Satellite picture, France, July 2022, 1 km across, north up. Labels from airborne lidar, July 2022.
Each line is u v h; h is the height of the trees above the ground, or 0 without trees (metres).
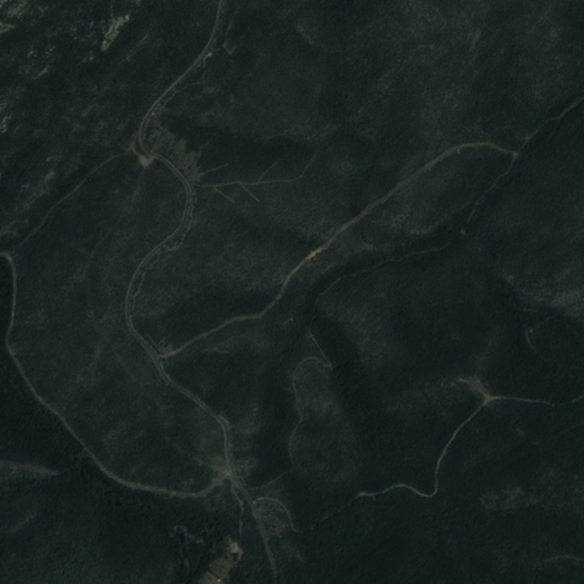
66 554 7
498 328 8
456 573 6
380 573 7
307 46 6
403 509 5
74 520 7
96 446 6
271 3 7
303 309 8
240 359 7
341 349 12
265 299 6
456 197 6
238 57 6
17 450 8
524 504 6
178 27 7
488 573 7
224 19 8
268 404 6
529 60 6
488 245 6
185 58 6
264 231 10
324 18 6
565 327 6
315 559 7
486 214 5
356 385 12
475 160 6
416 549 6
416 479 8
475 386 0
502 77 7
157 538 6
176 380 7
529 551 6
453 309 5
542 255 6
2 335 6
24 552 7
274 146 8
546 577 6
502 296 7
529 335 6
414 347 6
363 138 6
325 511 8
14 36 9
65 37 6
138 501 10
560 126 6
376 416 10
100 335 0
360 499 6
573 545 7
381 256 6
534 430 7
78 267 0
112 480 6
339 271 7
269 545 8
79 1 6
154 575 6
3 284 11
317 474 6
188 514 9
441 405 5
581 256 6
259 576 6
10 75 8
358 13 7
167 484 8
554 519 7
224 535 6
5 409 12
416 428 6
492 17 6
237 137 6
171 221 0
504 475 6
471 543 8
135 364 0
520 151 6
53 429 10
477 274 8
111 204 0
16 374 9
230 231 7
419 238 7
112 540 10
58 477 10
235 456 8
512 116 8
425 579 7
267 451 8
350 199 6
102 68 6
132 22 7
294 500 6
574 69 6
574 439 6
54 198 6
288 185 0
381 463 8
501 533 7
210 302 6
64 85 7
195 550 8
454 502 7
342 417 6
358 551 9
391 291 5
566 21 6
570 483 6
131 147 0
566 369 6
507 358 6
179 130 6
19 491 9
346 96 7
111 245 0
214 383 5
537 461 6
